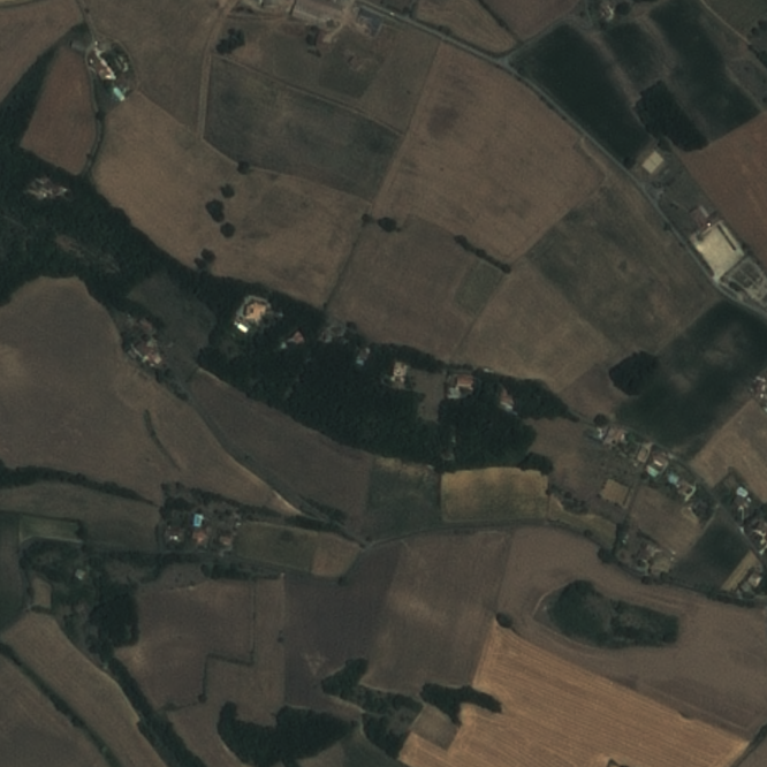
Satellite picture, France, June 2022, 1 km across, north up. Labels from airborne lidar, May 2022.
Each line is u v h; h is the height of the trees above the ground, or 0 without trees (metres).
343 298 0
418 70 0
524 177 0
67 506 0
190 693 0
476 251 8
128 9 0
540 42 0
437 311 0
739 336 0
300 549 0
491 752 0
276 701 0
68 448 0
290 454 0
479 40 0
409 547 0
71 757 0
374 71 0
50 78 0
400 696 9
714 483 0
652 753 0
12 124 13
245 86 0
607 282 0
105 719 0
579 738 0
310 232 0
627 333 0
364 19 0
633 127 0
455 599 0
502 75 0
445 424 13
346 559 0
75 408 0
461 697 12
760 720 0
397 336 0
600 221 0
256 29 0
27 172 16
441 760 0
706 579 0
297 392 17
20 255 9
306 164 0
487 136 0
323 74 0
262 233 0
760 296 0
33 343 0
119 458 0
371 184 0
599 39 0
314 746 12
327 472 0
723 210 0
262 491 0
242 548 0
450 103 0
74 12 0
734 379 0
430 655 0
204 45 0
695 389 0
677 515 0
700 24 0
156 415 0
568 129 0
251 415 0
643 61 0
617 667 0
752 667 0
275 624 0
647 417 0
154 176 0
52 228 12
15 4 0
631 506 0
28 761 0
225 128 0
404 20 0
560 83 0
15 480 13
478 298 0
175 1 0
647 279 0
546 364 0
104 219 11
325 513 7
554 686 0
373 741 11
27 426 0
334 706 0
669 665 0
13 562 0
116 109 0
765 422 0
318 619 0
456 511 0
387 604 0
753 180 0
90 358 0
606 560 12
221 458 0
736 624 0
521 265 0
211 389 0
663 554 0
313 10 0
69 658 0
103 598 12
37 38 0
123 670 10
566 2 0
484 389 10
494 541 0
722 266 0
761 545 0
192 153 0
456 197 0
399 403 19
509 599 0
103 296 14
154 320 15
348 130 0
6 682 0
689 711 0
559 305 0
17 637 0
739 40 0
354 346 16
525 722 0
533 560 0
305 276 0
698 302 0
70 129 0
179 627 0
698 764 0
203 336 0
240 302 15
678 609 0
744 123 0
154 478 0
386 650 0
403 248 0
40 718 0
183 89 0
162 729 10
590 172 0
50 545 8
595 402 0
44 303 0
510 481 0
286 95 0
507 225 0
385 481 0
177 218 0
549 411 16
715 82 0
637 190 0
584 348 0
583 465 0
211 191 0
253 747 15
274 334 17
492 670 0
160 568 8
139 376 0
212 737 0
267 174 0
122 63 0
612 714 0
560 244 0
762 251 0
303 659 0
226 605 0
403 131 0
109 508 0
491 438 18
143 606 0
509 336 0
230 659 5
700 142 17
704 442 0
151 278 8
